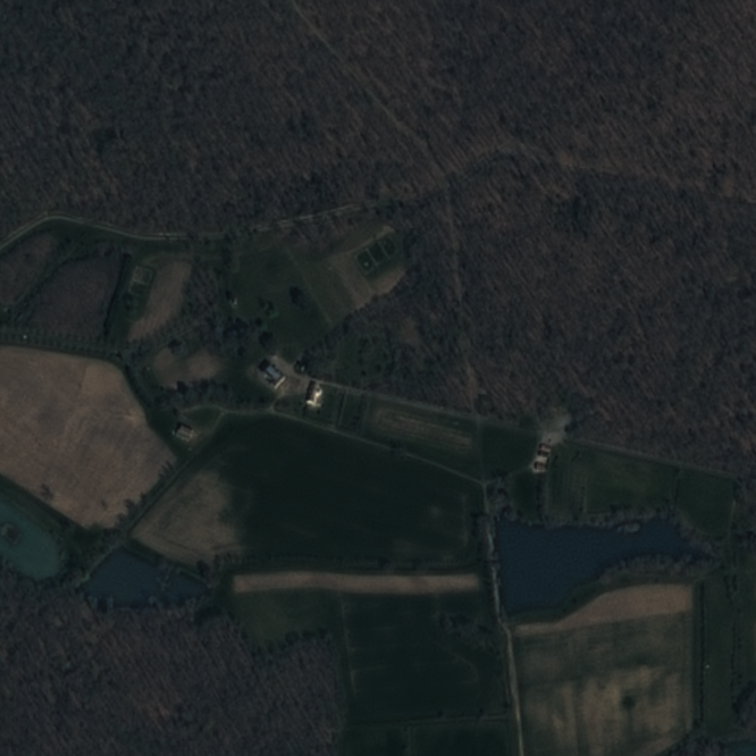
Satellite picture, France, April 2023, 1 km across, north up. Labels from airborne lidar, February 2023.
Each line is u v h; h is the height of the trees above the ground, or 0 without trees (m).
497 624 12
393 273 0
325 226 26
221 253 0
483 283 26
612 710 0
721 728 0
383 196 25
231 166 24
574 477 0
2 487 0
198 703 24
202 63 25
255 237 22
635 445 23
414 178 20
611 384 24
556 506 0
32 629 24
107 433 0
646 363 24
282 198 27
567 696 0
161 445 0
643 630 0
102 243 9
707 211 28
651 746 0
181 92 7
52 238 8
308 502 0
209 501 0
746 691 0
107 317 7
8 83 26
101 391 0
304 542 0
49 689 28
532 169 23
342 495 0
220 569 15
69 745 28
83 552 0
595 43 22
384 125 21
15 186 20
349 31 18
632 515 18
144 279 0
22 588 25
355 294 0
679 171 24
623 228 28
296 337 0
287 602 0
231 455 0
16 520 0
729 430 23
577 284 28
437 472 0
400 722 0
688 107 22
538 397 20
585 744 0
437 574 0
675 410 22
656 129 21
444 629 13
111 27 27
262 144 23
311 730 24
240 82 22
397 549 0
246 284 0
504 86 24
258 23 21
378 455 0
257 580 0
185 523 0
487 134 25
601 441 21
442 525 0
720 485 0
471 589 0
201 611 0
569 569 0
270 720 17
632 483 0
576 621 0
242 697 24
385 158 25
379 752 0
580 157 22
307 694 25
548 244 26
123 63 16
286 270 0
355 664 0
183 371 0
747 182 25
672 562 15
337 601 0
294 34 19
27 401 0
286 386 0
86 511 0
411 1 24
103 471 0
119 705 25
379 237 0
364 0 23
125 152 22
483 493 0
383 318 16
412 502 0
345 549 0
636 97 26
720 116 25
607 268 26
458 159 25
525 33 20
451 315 25
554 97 20
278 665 19
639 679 0
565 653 0
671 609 0
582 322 26
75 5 23
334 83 24
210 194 25
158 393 6
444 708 0
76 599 22
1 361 0
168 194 28
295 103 26
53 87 27
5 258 10
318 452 0
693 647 0
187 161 23
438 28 27
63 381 0
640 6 20
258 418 0
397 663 0
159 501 0
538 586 0
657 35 20
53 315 13
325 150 23
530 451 0
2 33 29
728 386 21
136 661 24
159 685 26
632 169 20
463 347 23
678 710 0
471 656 0
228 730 25
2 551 0
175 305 0
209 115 26
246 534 0
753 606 0
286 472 0
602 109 21
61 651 27
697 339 25
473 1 20
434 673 0
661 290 26
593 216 10
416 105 22
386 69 22
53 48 25
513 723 0
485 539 17
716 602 0
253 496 0
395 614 0
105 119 22
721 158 23
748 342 22
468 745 0
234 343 23
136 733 24
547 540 0
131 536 0
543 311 26
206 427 0
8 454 0
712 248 27
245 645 15
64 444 0
